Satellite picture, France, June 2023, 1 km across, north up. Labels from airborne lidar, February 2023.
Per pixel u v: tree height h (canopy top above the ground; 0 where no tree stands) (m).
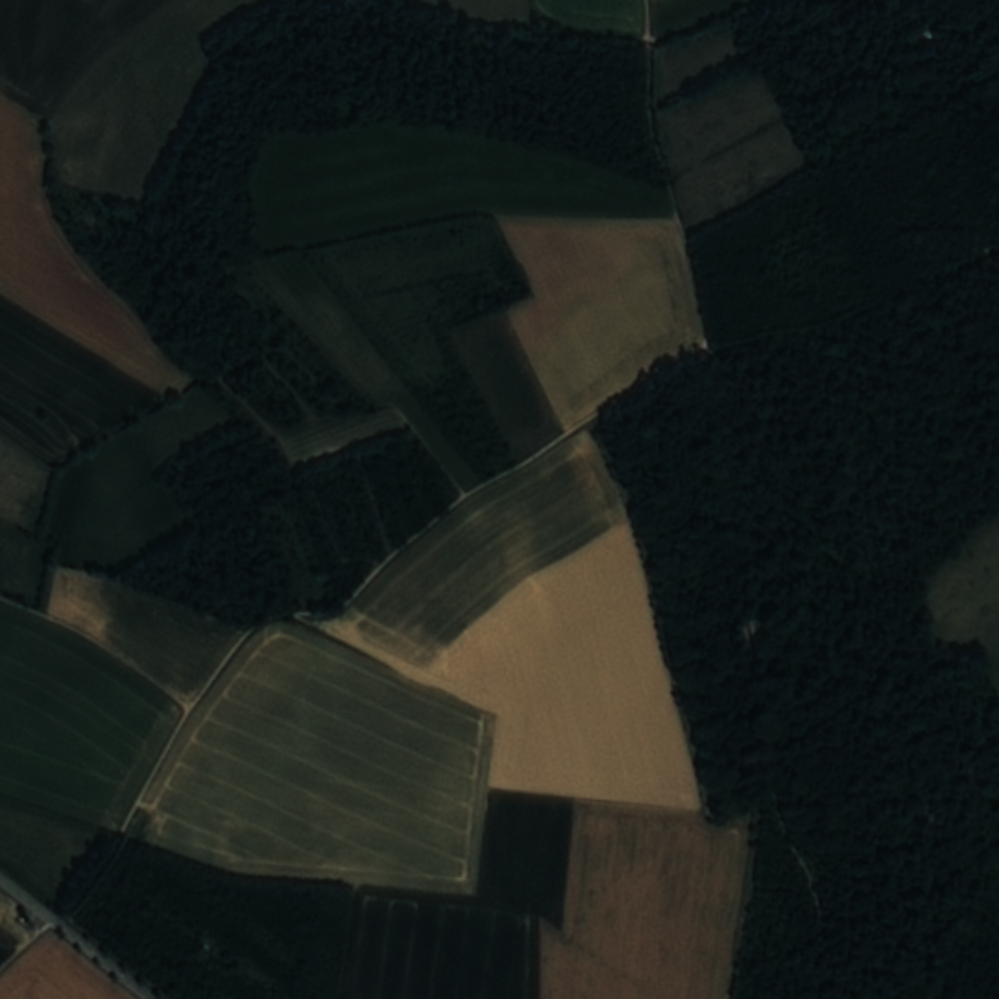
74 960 0
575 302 0
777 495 21
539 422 0
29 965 0
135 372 0
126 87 0
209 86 15
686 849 0
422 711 0
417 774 0
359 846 0
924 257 17
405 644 0
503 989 0
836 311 12
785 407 21
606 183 0
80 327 0
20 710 0
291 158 0
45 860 0
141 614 0
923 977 23
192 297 15
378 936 0
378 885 0
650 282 0
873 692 25
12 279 0
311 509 6
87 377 0
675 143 0
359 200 0
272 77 24
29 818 0
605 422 13
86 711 0
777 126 0
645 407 20
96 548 0
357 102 22
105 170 0
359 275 0
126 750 0
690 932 0
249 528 12
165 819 0
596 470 0
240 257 20
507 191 0
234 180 20
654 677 0
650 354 0
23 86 0
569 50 17
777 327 14
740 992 7
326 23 21
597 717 0
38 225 0
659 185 8
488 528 0
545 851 0
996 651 0
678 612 19
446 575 0
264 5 11
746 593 19
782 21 21
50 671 0
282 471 20
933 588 0
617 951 0
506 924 0
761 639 22
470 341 0
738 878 0
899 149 15
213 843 0
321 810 0
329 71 14
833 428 21
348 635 0
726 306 13
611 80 13
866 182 17
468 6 0
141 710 0
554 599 0
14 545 0
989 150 14
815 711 21
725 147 0
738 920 0
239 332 20
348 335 0
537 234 0
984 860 19
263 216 0
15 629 0
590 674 0
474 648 0
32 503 0
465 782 0
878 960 20
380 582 0
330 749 0
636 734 0
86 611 0
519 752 0
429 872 0
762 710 29
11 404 0
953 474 23
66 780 0
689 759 0
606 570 0
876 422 23
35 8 0
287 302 0
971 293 21
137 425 13
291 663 0
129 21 0
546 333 0
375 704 0
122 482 0
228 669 0
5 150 0
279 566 17
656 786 0
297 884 9
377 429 0
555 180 0
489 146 0
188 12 0
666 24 0
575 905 0
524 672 0
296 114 17
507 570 0
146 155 0
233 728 0
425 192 0
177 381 0
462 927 0
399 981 0
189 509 16
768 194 10
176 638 0
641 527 17
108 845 20
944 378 22
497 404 0
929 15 18
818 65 23
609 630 0
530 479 0
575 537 0
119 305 0
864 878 21
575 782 0
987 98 15
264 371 16
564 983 0
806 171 10
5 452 0
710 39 0
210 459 17
